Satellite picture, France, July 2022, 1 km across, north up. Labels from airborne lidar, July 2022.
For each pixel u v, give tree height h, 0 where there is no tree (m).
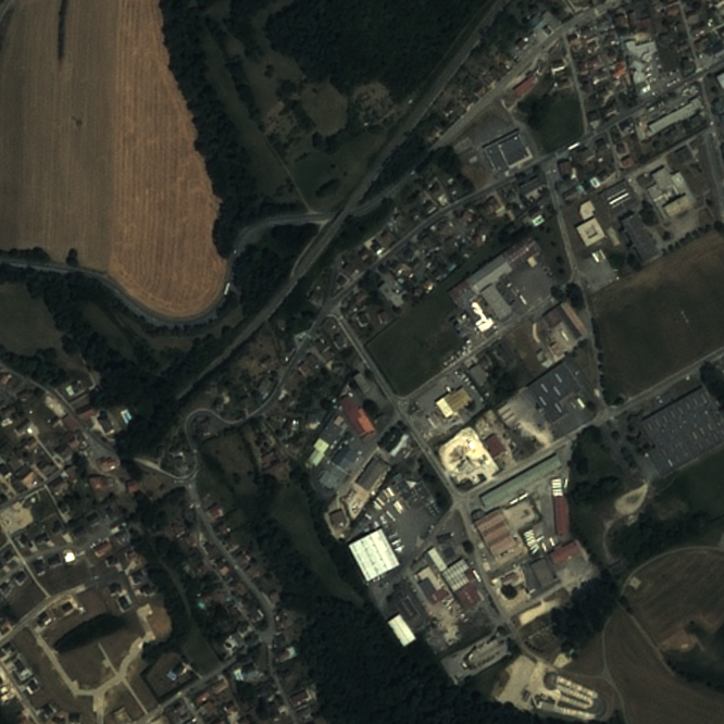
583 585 0
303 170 0
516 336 0
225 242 23
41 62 0
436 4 18
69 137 0
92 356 23
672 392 0
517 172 0
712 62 0
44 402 0
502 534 0
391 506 0
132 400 24
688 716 0
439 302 0
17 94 0
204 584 8
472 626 0
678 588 0
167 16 17
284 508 0
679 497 0
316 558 0
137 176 0
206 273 0
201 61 27
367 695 26
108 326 0
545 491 0
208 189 0
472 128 0
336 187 11
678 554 0
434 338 0
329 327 0
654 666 0
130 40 0
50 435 0
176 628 13
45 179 0
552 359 0
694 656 0
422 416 0
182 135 0
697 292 0
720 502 0
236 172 29
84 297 22
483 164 0
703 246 0
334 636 23
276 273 28
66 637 8
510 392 8
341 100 0
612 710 0
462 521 0
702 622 0
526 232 10
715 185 0
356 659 20
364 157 0
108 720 0
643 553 7
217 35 11
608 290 0
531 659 0
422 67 21
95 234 0
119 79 0
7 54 0
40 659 0
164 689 0
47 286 15
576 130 0
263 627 6
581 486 11
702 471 0
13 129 0
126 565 0
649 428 0
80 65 0
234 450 0
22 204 0
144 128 0
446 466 0
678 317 0
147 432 27
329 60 22
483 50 10
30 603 0
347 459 0
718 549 0
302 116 14
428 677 14
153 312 0
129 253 0
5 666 0
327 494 0
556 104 0
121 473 0
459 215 6
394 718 30
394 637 12
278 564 13
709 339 0
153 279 0
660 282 0
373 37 14
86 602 0
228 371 13
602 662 0
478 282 0
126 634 0
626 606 16
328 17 23
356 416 0
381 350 0
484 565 0
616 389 0
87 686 0
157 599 0
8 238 0
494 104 0
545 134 0
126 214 0
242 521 0
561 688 0
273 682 7
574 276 0
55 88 0
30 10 0
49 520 0
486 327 0
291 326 9
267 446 11
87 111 0
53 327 0
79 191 0
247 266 26
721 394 14
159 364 9
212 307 0
